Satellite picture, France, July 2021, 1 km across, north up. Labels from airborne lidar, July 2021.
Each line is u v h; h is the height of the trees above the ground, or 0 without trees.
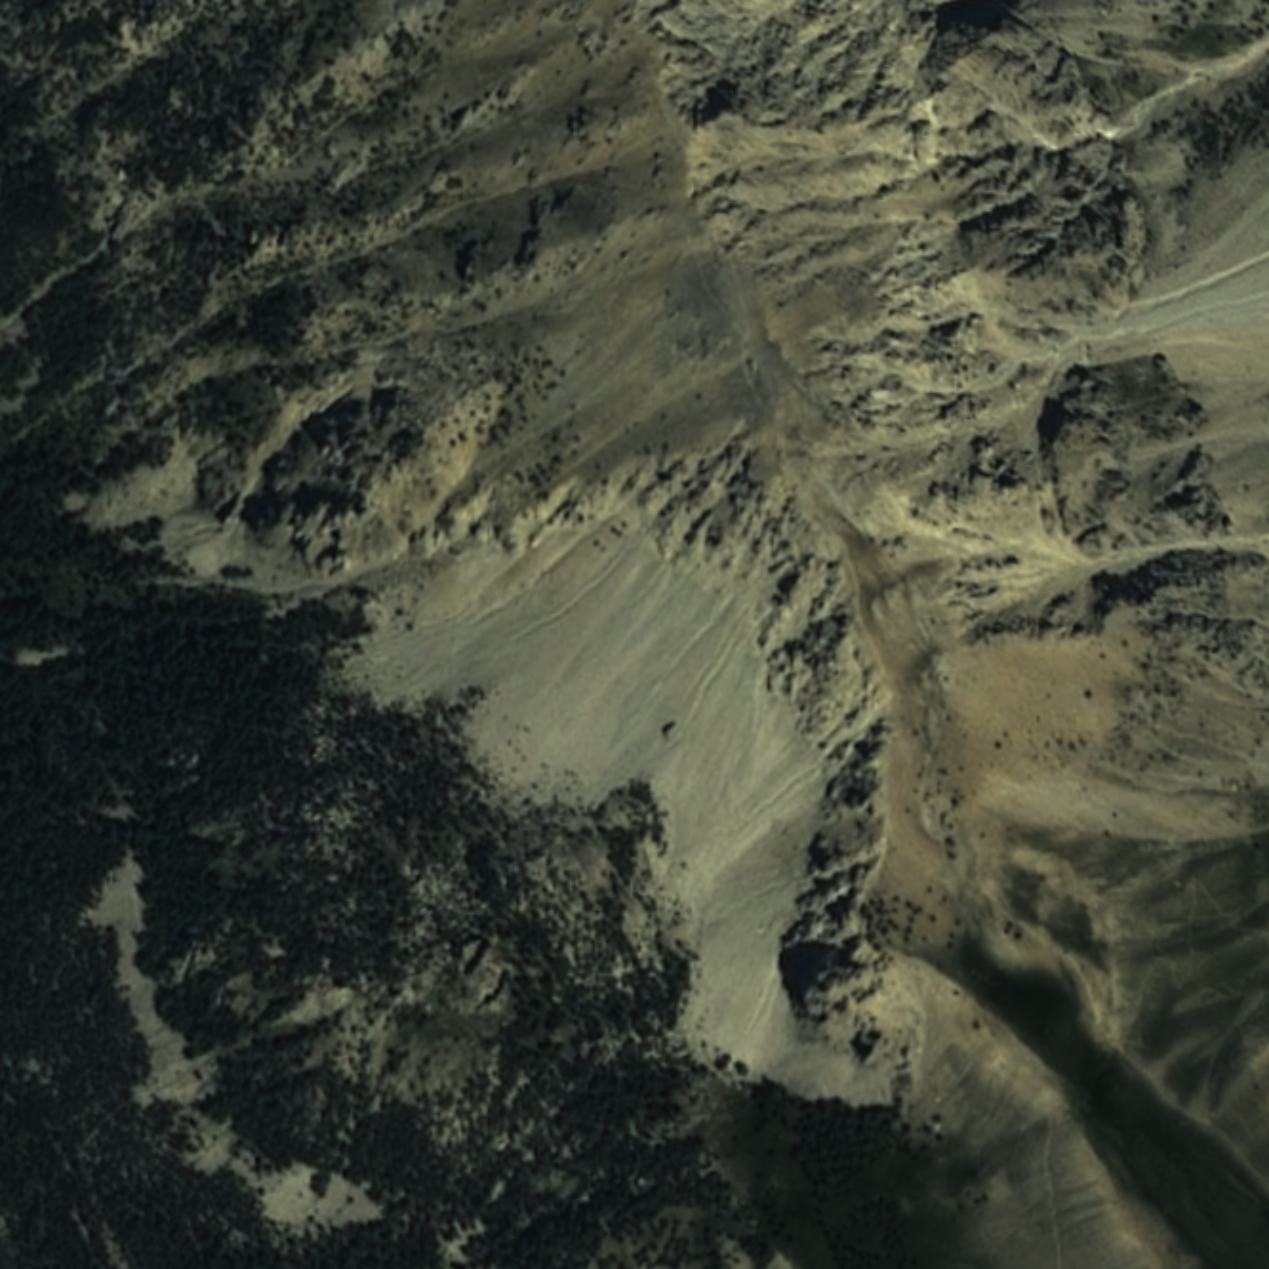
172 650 18
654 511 0
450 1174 8
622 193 0
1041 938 0
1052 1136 0
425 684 0
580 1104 12
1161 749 0
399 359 0
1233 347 0
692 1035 0
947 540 0
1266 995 0
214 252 8
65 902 8
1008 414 0
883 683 0
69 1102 8
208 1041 12
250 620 9
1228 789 0
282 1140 11
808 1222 0
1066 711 0
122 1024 6
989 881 0
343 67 0
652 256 0
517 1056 10
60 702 14
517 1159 9
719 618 0
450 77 0
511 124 0
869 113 0
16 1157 15
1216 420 0
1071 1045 0
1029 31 0
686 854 0
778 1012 0
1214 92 0
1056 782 0
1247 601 0
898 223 0
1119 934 0
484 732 0
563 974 7
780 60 0
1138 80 7
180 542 0
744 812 0
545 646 0
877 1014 0
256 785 9
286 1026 0
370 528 0
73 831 13
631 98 0
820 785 0
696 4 0
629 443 0
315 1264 15
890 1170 0
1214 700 0
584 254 0
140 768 17
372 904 6
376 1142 9
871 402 0
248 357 0
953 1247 0
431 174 0
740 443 0
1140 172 0
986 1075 0
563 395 0
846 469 0
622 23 0
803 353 0
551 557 0
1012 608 0
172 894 12
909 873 0
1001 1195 0
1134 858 0
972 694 0
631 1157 10
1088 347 0
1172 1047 0
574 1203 8
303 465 0
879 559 0
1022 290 0
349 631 7
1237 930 0
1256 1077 0
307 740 6
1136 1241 0
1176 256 0
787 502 0
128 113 8
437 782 8
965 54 0
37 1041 8
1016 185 0
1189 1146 0
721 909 0
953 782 0
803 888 0
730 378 0
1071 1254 0
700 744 0
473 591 0
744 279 0
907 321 0
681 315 0
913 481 0
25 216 10
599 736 0
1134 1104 0
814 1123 11
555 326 0
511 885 6
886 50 0
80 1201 8
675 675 0
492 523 0
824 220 0
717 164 0
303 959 7
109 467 12
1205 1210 0
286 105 7
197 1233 13
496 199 0
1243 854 0
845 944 0
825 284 0
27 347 12
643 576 0
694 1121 0
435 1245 11
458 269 0
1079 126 0
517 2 0
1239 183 0
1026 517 0
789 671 0
